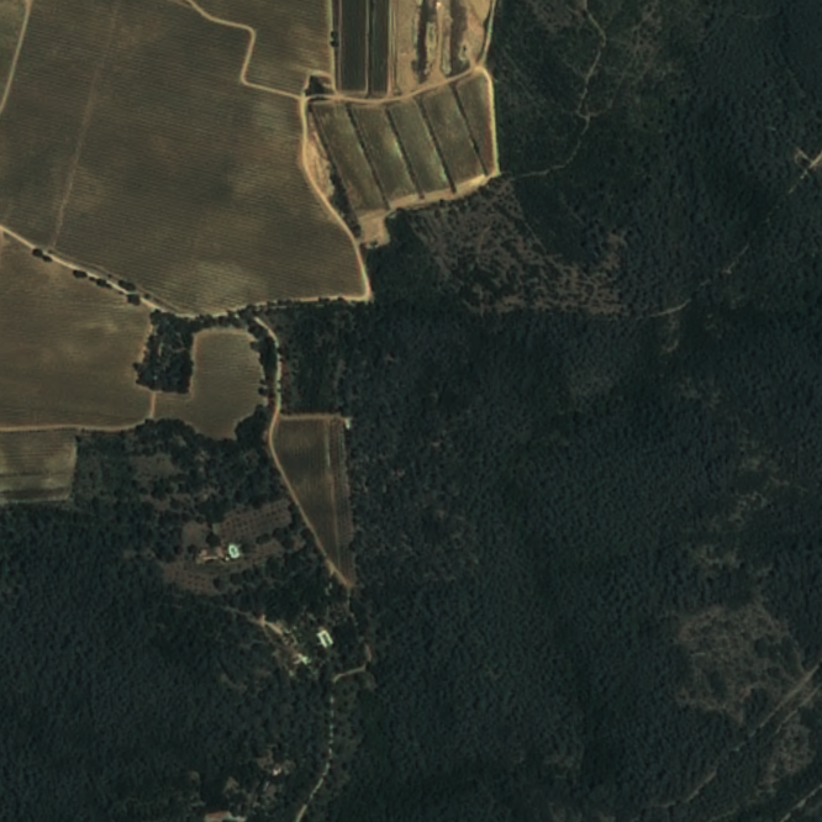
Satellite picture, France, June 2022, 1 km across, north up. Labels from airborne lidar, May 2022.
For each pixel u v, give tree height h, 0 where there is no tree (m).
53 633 16
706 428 21
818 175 12
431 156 0
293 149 0
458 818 13
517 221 8
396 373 19
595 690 16
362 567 9
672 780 15
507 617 12
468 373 14
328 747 20
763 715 9
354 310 10
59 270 0
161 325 15
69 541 16
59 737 13
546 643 9
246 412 0
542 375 13
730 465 21
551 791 8
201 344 0
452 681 18
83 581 18
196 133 0
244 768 11
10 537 8
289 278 0
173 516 11
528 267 7
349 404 19
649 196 18
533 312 13
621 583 16
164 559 20
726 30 13
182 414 0
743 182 15
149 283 0
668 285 19
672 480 19
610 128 6
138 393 0
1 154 0
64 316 0
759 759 15
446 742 17
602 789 22
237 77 0
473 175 0
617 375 13
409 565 19
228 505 17
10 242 0
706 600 17
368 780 17
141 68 0
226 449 13
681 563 18
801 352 19
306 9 0
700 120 10
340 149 0
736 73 13
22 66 0
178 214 0
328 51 0
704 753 13
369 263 6
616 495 13
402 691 20
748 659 0
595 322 18
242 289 0
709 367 8
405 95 0
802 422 16
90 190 0
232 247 0
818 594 15
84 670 14
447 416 14
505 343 14
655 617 16
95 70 0
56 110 0
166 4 0
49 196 0
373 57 0
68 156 0
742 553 6
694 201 8
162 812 9
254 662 25
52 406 0
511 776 12
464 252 6
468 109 0
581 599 11
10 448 0
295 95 0
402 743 18
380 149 0
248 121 0
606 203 18
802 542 17
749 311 14
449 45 0
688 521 15
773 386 7
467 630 18
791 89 16
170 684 20
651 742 16
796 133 14
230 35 0
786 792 6
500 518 6
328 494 0
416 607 24
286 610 9
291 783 21
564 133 6
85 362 0
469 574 18
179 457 12
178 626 6
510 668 12
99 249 0
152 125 0
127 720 20
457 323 18
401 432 19
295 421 0
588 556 16
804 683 0
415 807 12
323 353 8
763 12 11
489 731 21
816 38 15
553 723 15
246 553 8
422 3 0
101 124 0
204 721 19
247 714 25
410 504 23
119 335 0
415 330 19
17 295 0
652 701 12
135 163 0
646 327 9
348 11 0
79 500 7
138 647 19
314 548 6
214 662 21
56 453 0
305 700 20
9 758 23
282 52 0
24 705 12
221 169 0
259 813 12
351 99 0
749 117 18
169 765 18
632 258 17
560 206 7
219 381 0
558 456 10
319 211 0
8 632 18
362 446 16
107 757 14
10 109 0
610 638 13
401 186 0
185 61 0
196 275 0
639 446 15
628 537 14
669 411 9
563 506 13
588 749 7
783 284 15
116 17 0
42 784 18
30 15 0
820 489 6
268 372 11
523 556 16
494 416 17
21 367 0
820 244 15
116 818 9
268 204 0
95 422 0
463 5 0
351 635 9
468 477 13
